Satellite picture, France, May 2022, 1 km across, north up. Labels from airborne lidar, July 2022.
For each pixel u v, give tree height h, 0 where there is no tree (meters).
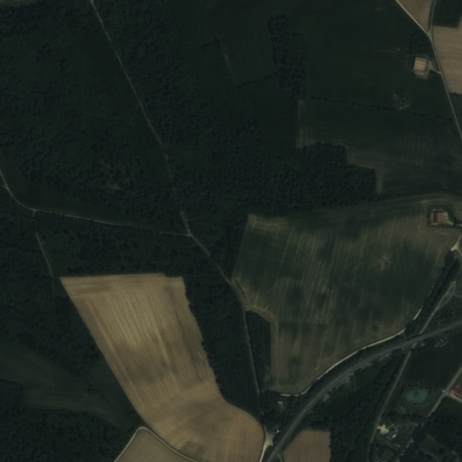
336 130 0
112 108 21
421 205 0
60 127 27
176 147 23
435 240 0
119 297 0
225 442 0
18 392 18
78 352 24
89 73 22
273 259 0
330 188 25
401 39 0
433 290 11
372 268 0
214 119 20
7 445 24
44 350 26
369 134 0
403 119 0
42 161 29
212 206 29
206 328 7
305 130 0
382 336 0
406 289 0
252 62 0
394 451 11
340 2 0
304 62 29
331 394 7
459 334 0
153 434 0
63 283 0
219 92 14
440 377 0
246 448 0
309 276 0
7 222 28
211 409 0
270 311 0
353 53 0
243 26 0
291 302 0
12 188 0
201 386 0
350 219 0
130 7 29
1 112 22
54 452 21
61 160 28
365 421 14
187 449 0
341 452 13
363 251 0
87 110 22
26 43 12
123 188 17
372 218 0
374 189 16
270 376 0
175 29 15
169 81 22
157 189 7
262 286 0
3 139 24
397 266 0
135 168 28
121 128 25
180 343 0
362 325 0
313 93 0
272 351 0
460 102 0
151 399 0
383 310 0
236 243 8
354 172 17
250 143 22
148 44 7
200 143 22
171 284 0
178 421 0
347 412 6
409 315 0
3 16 22
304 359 0
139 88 13
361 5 0
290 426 0
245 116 8
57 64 11
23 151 27
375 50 0
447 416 10
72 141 27
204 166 23
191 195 25
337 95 0
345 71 0
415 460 21
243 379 25
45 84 17
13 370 0
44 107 22
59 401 0
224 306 24
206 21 0
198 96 20
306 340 0
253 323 17
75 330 23
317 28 0
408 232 0
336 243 0
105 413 0
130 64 21
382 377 19
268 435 0
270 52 0
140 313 0
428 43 6
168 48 24
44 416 6
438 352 0
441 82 0
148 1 28
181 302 0
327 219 0
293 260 0
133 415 6
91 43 7
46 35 16
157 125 11
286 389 0
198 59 13
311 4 0
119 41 24
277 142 6
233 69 0
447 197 0
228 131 10
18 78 21
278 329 0
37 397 0
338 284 0
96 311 0
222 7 0
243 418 0
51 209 0
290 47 27
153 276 0
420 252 0
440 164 0
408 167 0
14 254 27
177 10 14
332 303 0
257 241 0
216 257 29
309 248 0
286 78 28
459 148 0
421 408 0
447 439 28
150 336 0
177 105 22
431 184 0
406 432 0
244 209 17
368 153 0
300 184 27
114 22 21
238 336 26
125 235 17
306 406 0
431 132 0
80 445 29
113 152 7
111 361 0
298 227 0
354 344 0
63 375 0
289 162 15
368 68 0
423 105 0
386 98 0
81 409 0
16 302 26
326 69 0
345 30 0
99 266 26
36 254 27
